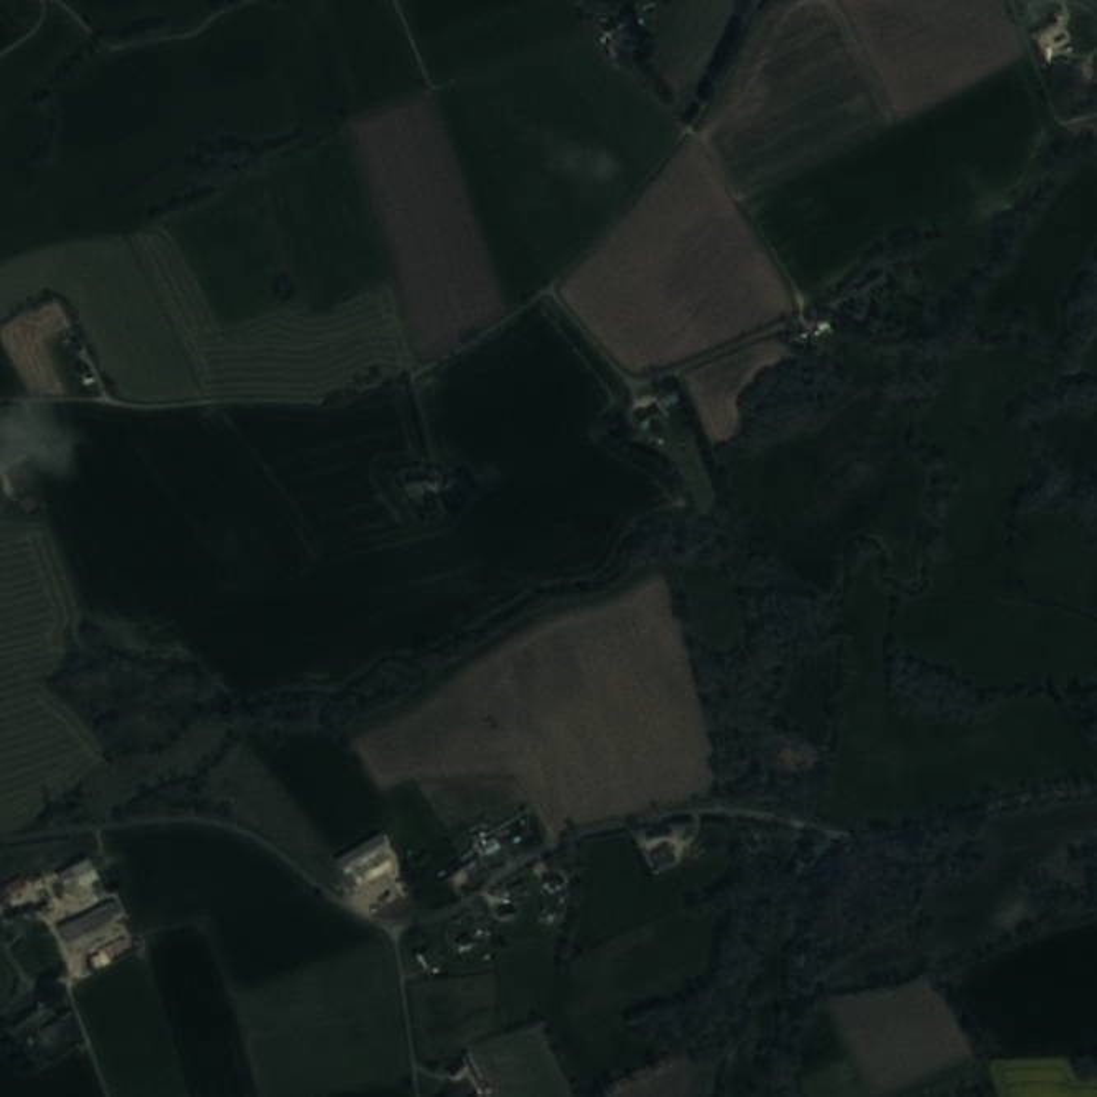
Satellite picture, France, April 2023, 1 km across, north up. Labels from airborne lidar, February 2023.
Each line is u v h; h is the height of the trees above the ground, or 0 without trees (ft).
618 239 0
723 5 0
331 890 0
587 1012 0
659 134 0
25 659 0
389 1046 0
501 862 0
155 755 21
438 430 0
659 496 0
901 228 0
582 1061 0
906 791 0
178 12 0
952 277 0
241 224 0
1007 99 0
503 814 0
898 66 0
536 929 0
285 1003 0
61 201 0
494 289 0
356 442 0
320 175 0
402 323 0
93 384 0
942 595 0
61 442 0
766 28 0
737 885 51
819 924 54
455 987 0
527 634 0
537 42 0
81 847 0
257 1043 0
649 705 0
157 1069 0
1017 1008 0
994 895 0
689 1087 0
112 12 0
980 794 0
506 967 0
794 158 0
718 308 0
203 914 0
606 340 0
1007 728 0
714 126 0
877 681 0
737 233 0
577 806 0
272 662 0
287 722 82
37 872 0
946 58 0
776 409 69
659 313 0
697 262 0
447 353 0
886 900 43
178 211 26
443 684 0
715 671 50
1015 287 0
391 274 0
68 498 0
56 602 0
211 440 0
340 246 0
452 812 0
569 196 0
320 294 0
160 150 0
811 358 31
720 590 0
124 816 34
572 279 0
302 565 0
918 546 29
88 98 0
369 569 0
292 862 0
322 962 0
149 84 0
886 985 39
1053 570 0
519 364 0
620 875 0
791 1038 34
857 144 0
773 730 46
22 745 0
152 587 0
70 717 0
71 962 0
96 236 0
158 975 0
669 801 0
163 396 0
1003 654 0
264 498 0
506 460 0
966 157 0
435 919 0
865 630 0
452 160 0
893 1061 0
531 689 0
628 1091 0
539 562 0
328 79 0
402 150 0
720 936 53
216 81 0
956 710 22
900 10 0
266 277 0
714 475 59
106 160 0
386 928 0
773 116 0
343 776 0
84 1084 0
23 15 0
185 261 0
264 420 0
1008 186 0
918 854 51
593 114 0
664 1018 57
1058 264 0
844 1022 0
